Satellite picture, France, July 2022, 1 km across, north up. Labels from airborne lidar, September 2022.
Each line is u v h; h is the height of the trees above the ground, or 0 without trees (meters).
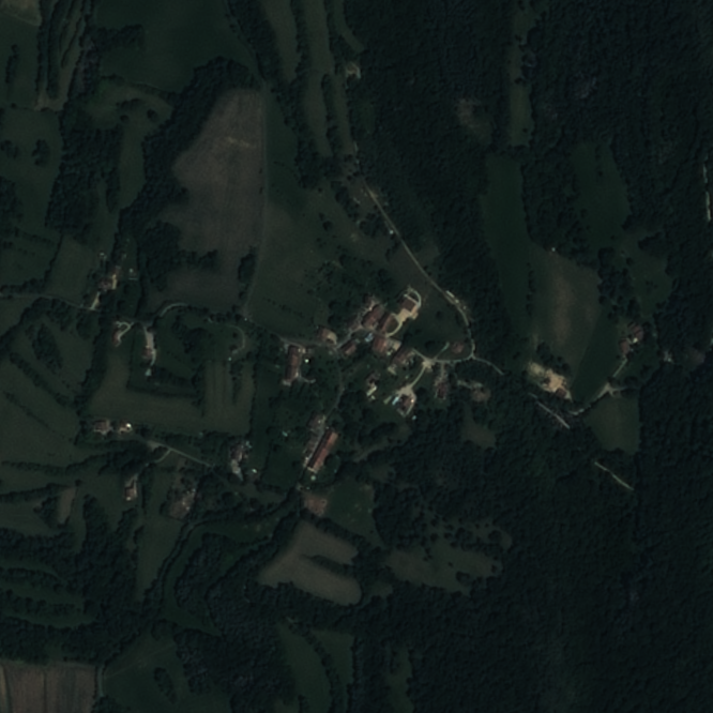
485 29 22
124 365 0
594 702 27
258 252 0
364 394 10
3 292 9
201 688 20
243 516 13
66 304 12
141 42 9
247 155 0
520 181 0
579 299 0
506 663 18
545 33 20
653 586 24
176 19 0
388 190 8
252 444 7
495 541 13
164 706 0
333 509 0
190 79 0
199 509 12
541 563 15
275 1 0
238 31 12
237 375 11
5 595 20
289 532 19
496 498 7
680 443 6
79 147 14
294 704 9
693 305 27
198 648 22
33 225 0
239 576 15
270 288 0
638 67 20
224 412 0
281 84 13
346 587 0
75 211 23
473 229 22
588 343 0
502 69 16
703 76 11
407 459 12
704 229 15
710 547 18
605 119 18
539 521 21
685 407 15
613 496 16
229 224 0
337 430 13
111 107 0
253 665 23
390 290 17
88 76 13
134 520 9
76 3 7
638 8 21
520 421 11
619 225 0
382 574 18
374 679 17
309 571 0
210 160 0
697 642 23
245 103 0
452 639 14
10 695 0
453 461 6
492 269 19
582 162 0
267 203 0
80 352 0
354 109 12
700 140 9
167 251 13
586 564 25
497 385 11
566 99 24
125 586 15
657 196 10
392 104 18
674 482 14
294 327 0
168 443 12
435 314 0
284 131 0
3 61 0
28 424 0
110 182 12
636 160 11
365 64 13
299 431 9
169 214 0
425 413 14
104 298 14
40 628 15
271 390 0
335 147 12
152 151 15
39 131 0
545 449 20
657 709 19
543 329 0
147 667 0
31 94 0
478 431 0
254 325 8
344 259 12
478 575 0
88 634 23
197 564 17
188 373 0
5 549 21
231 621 16
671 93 11
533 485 14
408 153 17
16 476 0
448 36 22
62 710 0
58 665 0
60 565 23
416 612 20
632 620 37
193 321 0
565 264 0
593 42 17
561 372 14
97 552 25
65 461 0
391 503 7
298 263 0
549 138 13
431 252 0
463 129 22
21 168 0
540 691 8
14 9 0
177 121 17
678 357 16
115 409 0
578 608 22
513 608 16
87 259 0
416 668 12
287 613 14
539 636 14
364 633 14
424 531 17
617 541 7
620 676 22
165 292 13
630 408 0
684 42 16
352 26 13
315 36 0
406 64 14
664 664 18
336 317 8
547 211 20
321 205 0
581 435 27
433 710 15
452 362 0
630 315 18
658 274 0
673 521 15
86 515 9
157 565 0
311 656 0
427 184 20
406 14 19
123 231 13
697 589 22
